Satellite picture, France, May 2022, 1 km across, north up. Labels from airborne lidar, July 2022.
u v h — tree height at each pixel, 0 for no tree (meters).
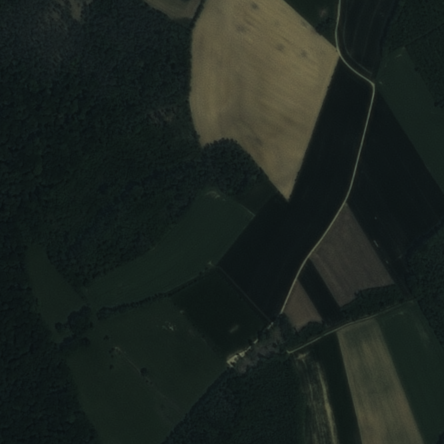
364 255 0
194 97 0
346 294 0
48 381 25
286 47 0
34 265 0
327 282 0
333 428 0
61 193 8
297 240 0
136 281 0
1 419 31
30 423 28
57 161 27
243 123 0
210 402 27
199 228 0
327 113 0
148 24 24
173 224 7
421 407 0
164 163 6
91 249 23
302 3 0
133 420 0
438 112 0
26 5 19
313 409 0
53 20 11
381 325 0
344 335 0
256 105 0
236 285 0
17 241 24
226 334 0
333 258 0
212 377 0
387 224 0
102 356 0
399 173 0
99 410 0
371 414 0
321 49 0
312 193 0
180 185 28
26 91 27
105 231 27
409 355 0
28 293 25
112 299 0
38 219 25
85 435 27
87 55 23
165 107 16
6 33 16
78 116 28
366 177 0
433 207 0
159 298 14
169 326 0
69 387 26
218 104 0
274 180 0
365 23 0
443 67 10
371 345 0
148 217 12
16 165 31
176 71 27
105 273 12
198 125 0
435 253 24
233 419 16
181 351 0
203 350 0
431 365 0
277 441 14
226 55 0
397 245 0
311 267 0
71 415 29
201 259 0
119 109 13
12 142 26
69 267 21
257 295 0
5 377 19
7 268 20
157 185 27
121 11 21
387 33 17
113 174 6
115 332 0
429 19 7
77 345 19
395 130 0
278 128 0
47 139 27
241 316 0
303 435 14
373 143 0
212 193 0
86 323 19
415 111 0
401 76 0
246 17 0
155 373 0
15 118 25
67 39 17
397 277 0
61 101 31
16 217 29
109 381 0
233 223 0
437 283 23
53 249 21
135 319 0
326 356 0
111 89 19
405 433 0
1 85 24
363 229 0
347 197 0
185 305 0
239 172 18
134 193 30
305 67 0
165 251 0
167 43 27
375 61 0
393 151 0
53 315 0
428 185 0
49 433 30
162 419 0
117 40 17
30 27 15
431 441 0
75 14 0
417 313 0
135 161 7
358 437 0
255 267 0
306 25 0
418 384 0
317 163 0
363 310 20
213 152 19
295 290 0
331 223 0
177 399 0
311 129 0
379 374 0
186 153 8
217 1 0
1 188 25
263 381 16
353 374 0
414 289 25
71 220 7
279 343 13
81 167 5
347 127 0
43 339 25
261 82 0
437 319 21
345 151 0
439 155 0
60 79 24
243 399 28
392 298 8
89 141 30
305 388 0
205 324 0
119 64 23
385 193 0
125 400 0
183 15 0
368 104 0
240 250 0
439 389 0
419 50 9
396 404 0
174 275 0
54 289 0
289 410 14
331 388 0
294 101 0
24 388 30
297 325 0
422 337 0
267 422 13
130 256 12
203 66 0
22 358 29
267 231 0
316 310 0
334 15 0
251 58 0
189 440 23
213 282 0
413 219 0
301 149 0
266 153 0
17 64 14
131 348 0
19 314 29
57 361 25
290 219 0
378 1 0
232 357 0
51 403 32
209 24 0
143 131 6
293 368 12
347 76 0
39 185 29
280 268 0
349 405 0
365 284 0
